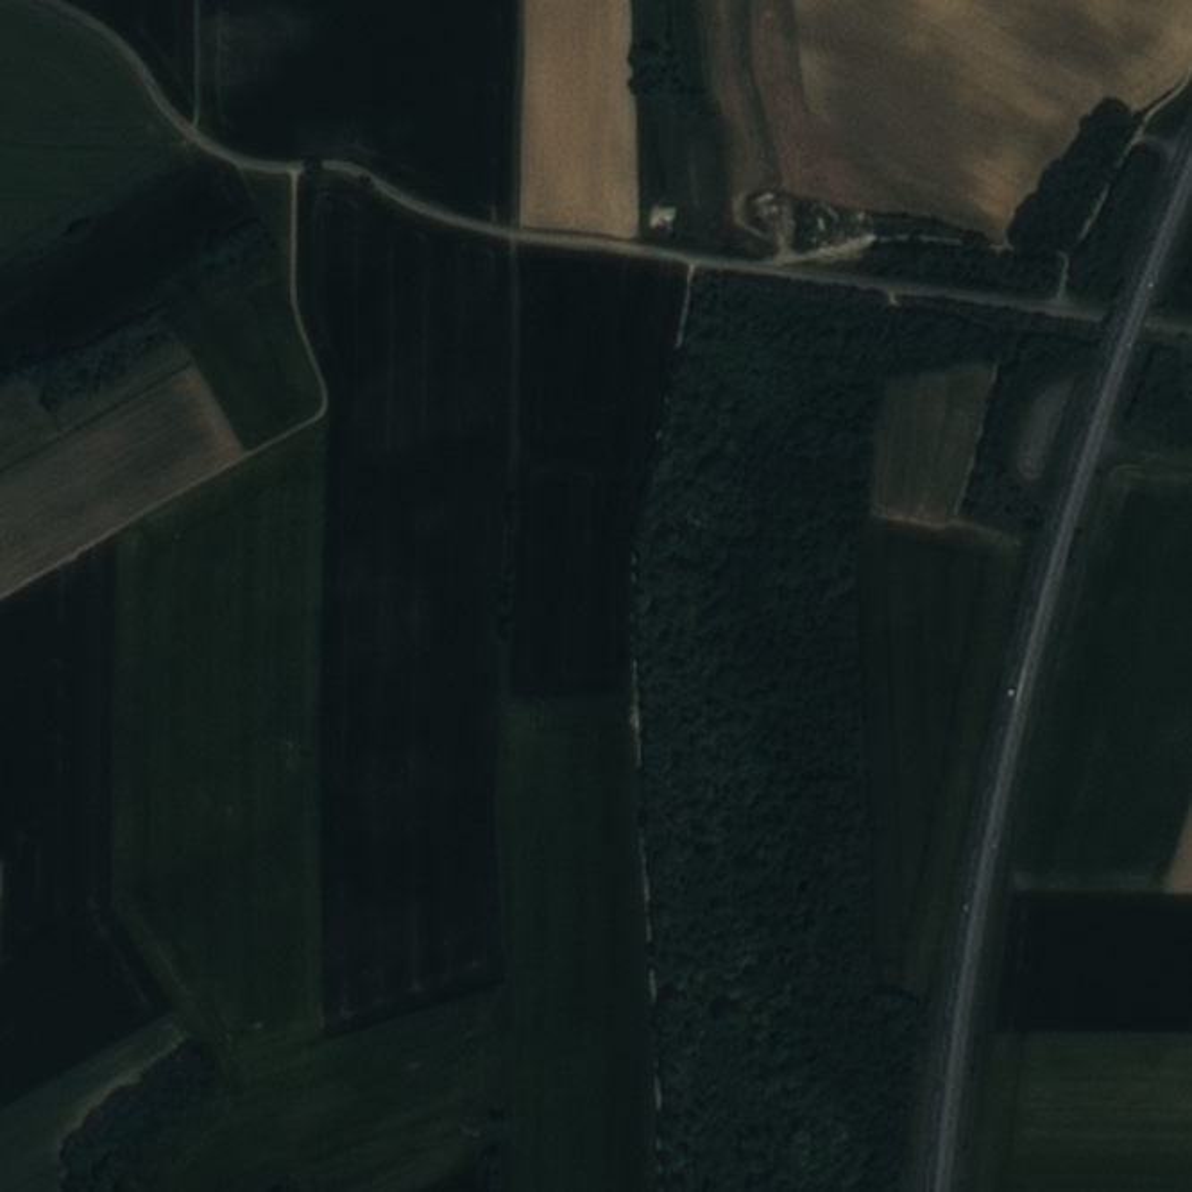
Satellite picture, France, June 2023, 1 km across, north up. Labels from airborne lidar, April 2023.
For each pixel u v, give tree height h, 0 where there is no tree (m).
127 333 8
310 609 0
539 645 0
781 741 12
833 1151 7
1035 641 0
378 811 0
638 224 0
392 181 0
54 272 0
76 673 0
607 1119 0
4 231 0
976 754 0
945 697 0
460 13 0
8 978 0
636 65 11
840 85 0
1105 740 0
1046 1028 0
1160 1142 0
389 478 0
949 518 0
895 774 0
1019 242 14
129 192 0
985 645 0
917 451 0
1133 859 0
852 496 18
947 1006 0
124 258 0
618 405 0
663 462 16
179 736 0
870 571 0
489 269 0
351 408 0
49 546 0
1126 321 0
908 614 0
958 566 0
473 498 0
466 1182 0
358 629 0
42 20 0
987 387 0
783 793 18
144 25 0
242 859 0
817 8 0
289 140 0
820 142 0
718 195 0
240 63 0
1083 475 0
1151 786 0
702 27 0
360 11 0
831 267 0
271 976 0
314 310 0
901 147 0
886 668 0
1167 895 0
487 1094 0
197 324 0
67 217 0
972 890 0
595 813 0
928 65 0
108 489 0
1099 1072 0
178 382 0
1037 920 0
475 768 0
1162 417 11
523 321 0
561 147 0
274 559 0
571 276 0
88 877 0
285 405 0
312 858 0
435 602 0
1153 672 0
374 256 0
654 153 0
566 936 0
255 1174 0
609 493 0
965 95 0
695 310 10
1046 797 0
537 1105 0
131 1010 0
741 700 14
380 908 0
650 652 18
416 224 0
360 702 0
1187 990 0
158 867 0
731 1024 17
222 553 0
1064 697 0
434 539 0
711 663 9
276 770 0
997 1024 0
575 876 0
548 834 0
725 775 16
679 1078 16
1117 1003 0
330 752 0
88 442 0
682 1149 17
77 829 0
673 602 15
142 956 0
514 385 0
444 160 0
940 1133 0
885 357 19
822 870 20
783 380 7
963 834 0
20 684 0
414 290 0
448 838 0
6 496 0
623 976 0
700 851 21
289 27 0
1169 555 0
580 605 0
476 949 0
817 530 17
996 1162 0
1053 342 6
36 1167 0
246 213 0
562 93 0
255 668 0
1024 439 0
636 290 0
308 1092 0
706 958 8
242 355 0
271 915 0
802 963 21
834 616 15
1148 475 0
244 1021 0
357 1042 0
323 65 0
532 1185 0
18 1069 0
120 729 0
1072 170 18
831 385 14
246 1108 0
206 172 0
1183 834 0
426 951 0
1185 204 0
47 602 0
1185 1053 0
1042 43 0
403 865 0
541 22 0
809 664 14
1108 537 0
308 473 0
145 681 0
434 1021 0
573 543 0
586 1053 0
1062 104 0
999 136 0
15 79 0
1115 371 0
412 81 0
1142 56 0
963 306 7
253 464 0
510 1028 0
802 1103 7
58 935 0
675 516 7
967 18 0
